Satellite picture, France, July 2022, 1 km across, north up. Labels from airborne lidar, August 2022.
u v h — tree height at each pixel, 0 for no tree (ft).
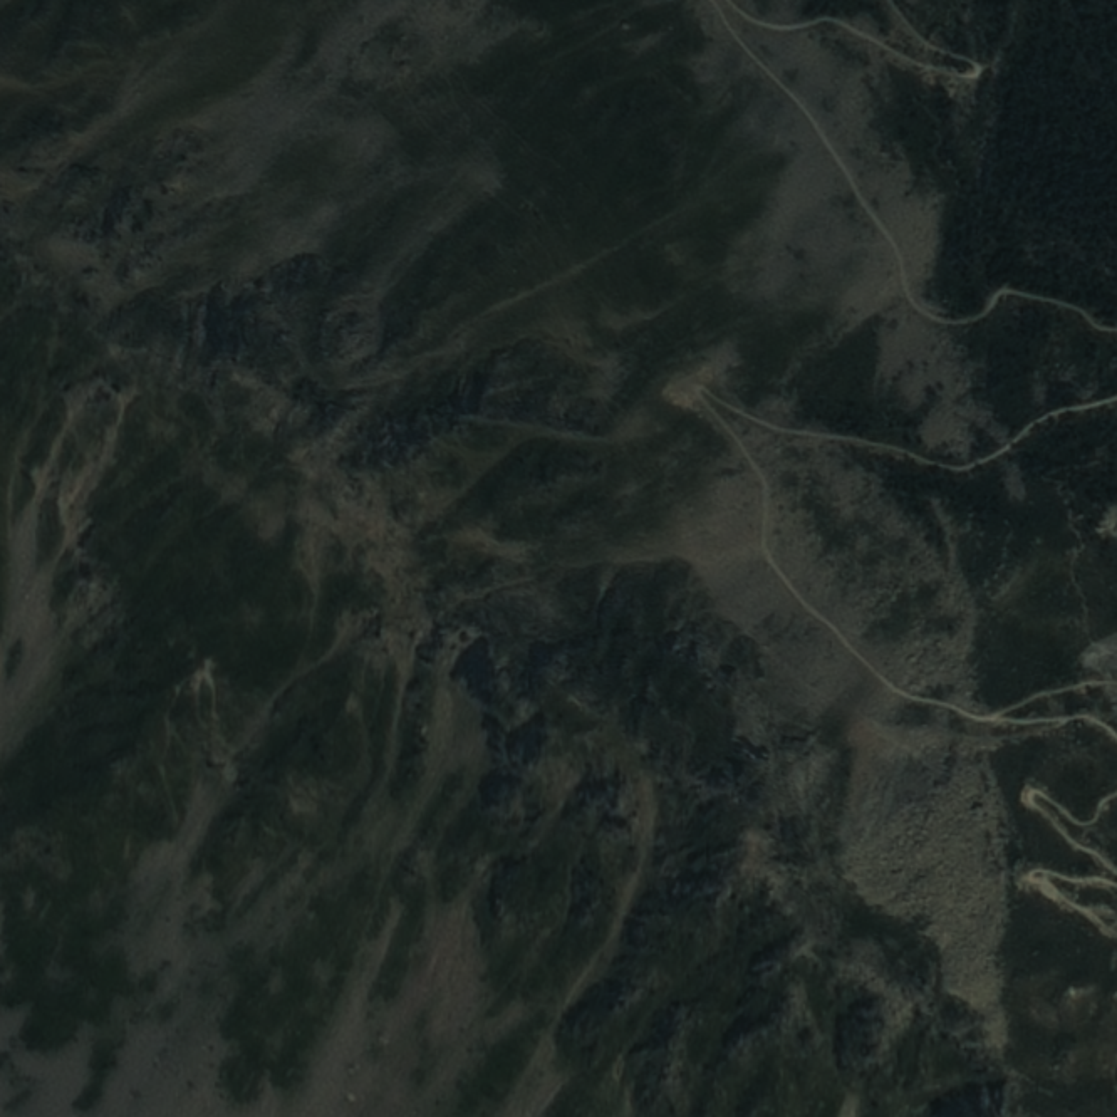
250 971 0
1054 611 0
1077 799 0
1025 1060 0
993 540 0
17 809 0
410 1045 0
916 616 0
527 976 0
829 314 0
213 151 0
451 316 0
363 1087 0
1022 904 0
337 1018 0
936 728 0
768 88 0
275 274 0
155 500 0
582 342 0
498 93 0
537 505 0
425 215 0
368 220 0
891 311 0
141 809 0
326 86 0
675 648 0
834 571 0
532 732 0
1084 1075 0
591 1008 0
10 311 0
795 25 0
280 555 0
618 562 0
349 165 0
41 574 0
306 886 0
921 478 26
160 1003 0
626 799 0
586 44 0
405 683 0
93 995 0
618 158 0
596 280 0
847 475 0
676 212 0
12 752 0
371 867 0
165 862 0
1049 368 18
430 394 0
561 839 0
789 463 0
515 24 0
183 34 0
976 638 0
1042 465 25
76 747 0
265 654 0
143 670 0
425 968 0
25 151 0
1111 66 41
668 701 0
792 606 0
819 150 0
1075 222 22
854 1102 0
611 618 0
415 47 0
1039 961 0
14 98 0
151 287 0
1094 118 32
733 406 0
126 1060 0
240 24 0
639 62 0
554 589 0
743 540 0
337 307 0
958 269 20
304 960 0
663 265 0
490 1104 0
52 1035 0
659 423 0
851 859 0
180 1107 0
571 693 0
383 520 0
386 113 0
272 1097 0
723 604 0
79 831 0
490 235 0
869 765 0
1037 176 32
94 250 0
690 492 0
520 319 0
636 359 0
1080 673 0
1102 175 33
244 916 0
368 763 0
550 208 0
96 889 0
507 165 0
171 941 0
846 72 0
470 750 0
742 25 0
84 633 0
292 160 0
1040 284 28
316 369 0
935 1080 0
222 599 0
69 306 0
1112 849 0
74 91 0
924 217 0
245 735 0
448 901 0
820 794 0
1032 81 35
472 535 0
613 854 0
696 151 0
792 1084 0
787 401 0
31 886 0
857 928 0
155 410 0
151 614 0
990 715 0
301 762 0
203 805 0
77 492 0
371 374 0
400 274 0
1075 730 0
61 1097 0
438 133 0
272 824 0
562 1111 0
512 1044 0
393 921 0
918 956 0
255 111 0
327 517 0
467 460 0
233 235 0
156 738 0
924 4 0
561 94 0
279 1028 0
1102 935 0
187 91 0
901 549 0
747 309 0
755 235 0
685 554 0
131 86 0
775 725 0
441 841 0
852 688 0
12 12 0
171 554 0
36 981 0
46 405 0
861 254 0
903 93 0
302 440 0
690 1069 0
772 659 0
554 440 0
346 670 0
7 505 0
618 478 0
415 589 0
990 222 28
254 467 0
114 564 0
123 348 0
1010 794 0
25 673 0
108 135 0
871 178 0
